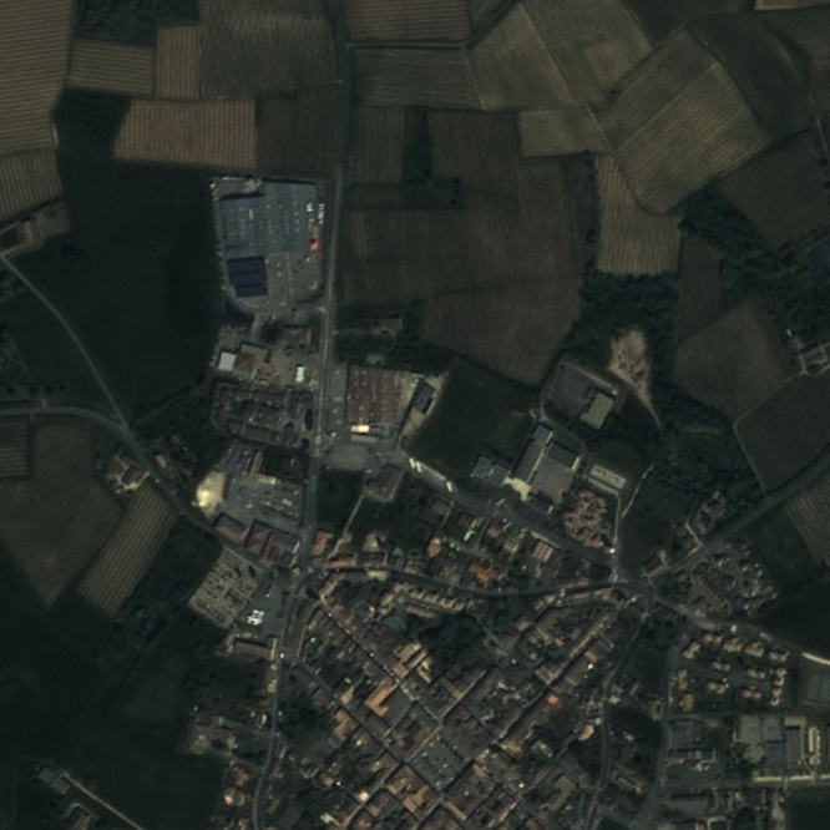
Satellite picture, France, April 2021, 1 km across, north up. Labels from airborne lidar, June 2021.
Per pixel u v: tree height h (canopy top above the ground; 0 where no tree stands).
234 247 0
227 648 0
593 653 0
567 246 0
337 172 0
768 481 0
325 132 0
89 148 0
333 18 0
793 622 0
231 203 0
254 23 0
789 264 14
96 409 0
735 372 0
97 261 0
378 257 0
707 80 0
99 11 14
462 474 0
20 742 0
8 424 0
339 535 7
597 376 0
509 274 0
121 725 0
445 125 0
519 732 0
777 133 0
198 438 0
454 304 0
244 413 9
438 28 0
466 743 0
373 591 8
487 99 0
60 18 0
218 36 0
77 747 0
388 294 0
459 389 0
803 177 0
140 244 0
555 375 7
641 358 0
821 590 0
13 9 0
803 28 0
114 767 0
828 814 0
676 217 0
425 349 0
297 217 0
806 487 0
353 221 0
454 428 0
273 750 0
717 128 0
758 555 0
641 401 0
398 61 0
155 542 0
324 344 0
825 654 0
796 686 0
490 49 0
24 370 0
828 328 0
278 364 0
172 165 0
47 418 0
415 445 0
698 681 8
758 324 0
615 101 0
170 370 0
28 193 0
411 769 0
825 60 0
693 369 0
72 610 0
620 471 0
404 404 0
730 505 13
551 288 0
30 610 0
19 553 0
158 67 0
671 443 14
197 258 0
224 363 0
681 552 11
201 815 0
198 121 0
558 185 0
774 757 0
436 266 0
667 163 0
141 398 0
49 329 0
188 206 0
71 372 0
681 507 0
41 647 0
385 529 0
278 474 6
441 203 0
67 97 0
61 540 0
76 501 0
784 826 0
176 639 0
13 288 9
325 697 0
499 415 0
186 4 0
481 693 0
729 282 17
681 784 10
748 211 0
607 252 0
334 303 0
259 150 0
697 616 0
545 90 0
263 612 0
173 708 0
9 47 0
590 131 0
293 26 0
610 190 0
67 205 0
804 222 0
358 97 0
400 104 0
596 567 7
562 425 6
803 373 0
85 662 0
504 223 0
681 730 0
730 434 6
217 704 7
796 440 0
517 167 0
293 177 0
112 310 0
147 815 0
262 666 9
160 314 0
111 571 0
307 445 8
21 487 0
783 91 0
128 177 0
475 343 0
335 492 12
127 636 7
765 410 0
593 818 0
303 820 6
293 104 0
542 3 0
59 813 6
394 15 0
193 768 0
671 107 0
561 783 0
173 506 0
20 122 0
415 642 13
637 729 0
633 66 0
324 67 0
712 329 0
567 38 0
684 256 0
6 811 0
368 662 0
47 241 0
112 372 0
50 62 0
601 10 0
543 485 0
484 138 0
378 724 0
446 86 0
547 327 0
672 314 18
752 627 0
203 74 0
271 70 0
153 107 0
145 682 0
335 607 0
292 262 0
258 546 0
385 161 0
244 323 0
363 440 0
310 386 0
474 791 0
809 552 0
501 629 9
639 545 0
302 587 0
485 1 0
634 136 0
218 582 0
